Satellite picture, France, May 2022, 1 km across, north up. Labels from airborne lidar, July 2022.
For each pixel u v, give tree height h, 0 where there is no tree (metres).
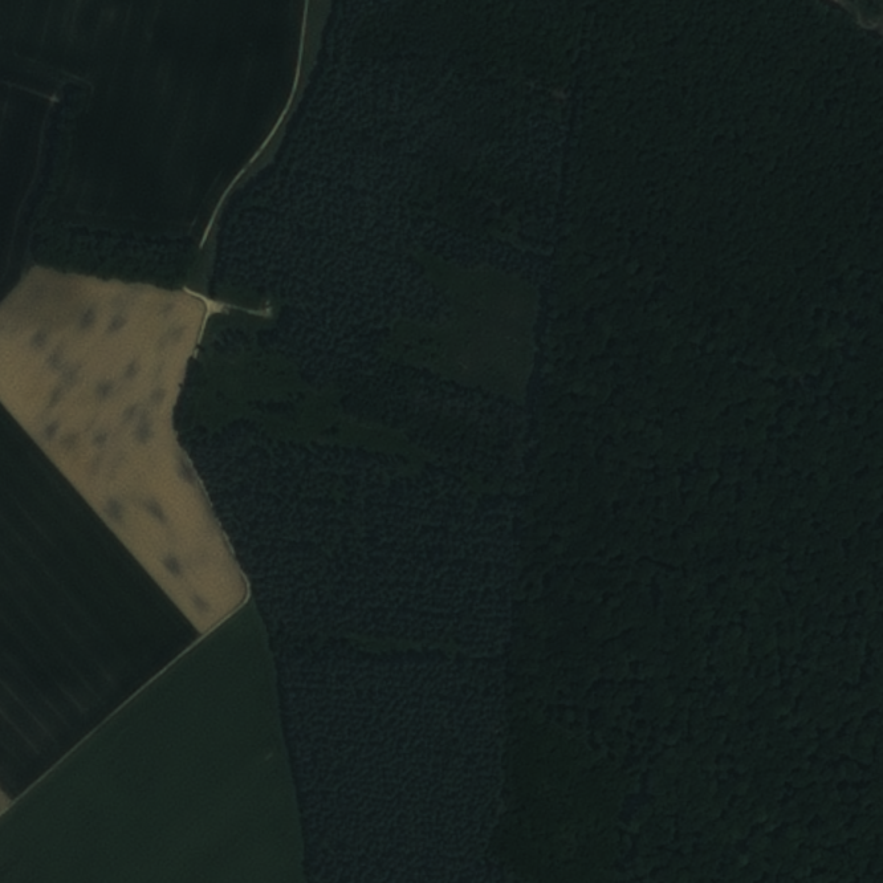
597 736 34
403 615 30
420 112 27
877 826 33
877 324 33
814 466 33
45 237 19
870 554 31
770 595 32
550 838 9
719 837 28
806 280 29
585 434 32
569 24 21
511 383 0
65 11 0
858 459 35
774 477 34
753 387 33
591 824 6
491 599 26
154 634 0
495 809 25
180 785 0
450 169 20
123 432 0
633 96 29
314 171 24
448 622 31
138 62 0
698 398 32
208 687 0
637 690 32
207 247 0
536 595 27
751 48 25
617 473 30
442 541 31
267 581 27
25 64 0
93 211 0
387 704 32
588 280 31
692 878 28
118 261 24
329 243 26
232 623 0
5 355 0
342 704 30
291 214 27
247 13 0
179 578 0
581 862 7
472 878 37
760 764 33
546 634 32
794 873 33
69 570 0
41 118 0
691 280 25
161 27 0
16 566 0
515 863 8
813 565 33
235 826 0
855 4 23
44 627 0
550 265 25
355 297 19
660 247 26
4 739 0
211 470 28
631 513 37
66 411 0
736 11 25
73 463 0
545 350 28
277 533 28
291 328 32
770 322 28
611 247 27
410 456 0
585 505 33
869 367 35
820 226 27
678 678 31
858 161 24
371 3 24
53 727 0
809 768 34
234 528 23
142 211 0
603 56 27
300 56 0
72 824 0
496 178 12
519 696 23
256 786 0
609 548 36
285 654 16
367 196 31
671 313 29
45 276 0
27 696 0
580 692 32
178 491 0
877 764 33
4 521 0
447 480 29
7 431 0
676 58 27
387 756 28
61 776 0
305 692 26
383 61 24
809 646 33
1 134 0
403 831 32
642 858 29
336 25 17
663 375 32
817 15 24
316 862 27
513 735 10
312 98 20
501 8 19
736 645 33
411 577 29
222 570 0
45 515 0
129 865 0
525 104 13
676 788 32
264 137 0
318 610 19
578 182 28
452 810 30
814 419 32
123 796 0
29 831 0
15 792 0
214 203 0
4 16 0
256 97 0
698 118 29
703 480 34
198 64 0
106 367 0
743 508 35
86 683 0
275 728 0
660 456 33
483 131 20
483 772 32
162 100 0
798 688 31
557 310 28
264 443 29
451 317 29
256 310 0
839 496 30
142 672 0
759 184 26
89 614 0
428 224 21
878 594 35
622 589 27
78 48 0
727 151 29
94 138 0
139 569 0
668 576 35
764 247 28
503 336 0
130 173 0
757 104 27
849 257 33
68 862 0
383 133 21
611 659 28
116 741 0
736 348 25
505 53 11
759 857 29
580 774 7
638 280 31
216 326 0
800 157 27
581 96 21
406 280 27
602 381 31
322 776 29
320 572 29
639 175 27
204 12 0
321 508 28
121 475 0
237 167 0
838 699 33
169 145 0
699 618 34
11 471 0
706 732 32
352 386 24
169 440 0
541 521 25
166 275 25
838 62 25
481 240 17
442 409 23
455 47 17
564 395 34
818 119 27
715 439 30
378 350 16
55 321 0
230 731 0
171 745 0
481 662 21
